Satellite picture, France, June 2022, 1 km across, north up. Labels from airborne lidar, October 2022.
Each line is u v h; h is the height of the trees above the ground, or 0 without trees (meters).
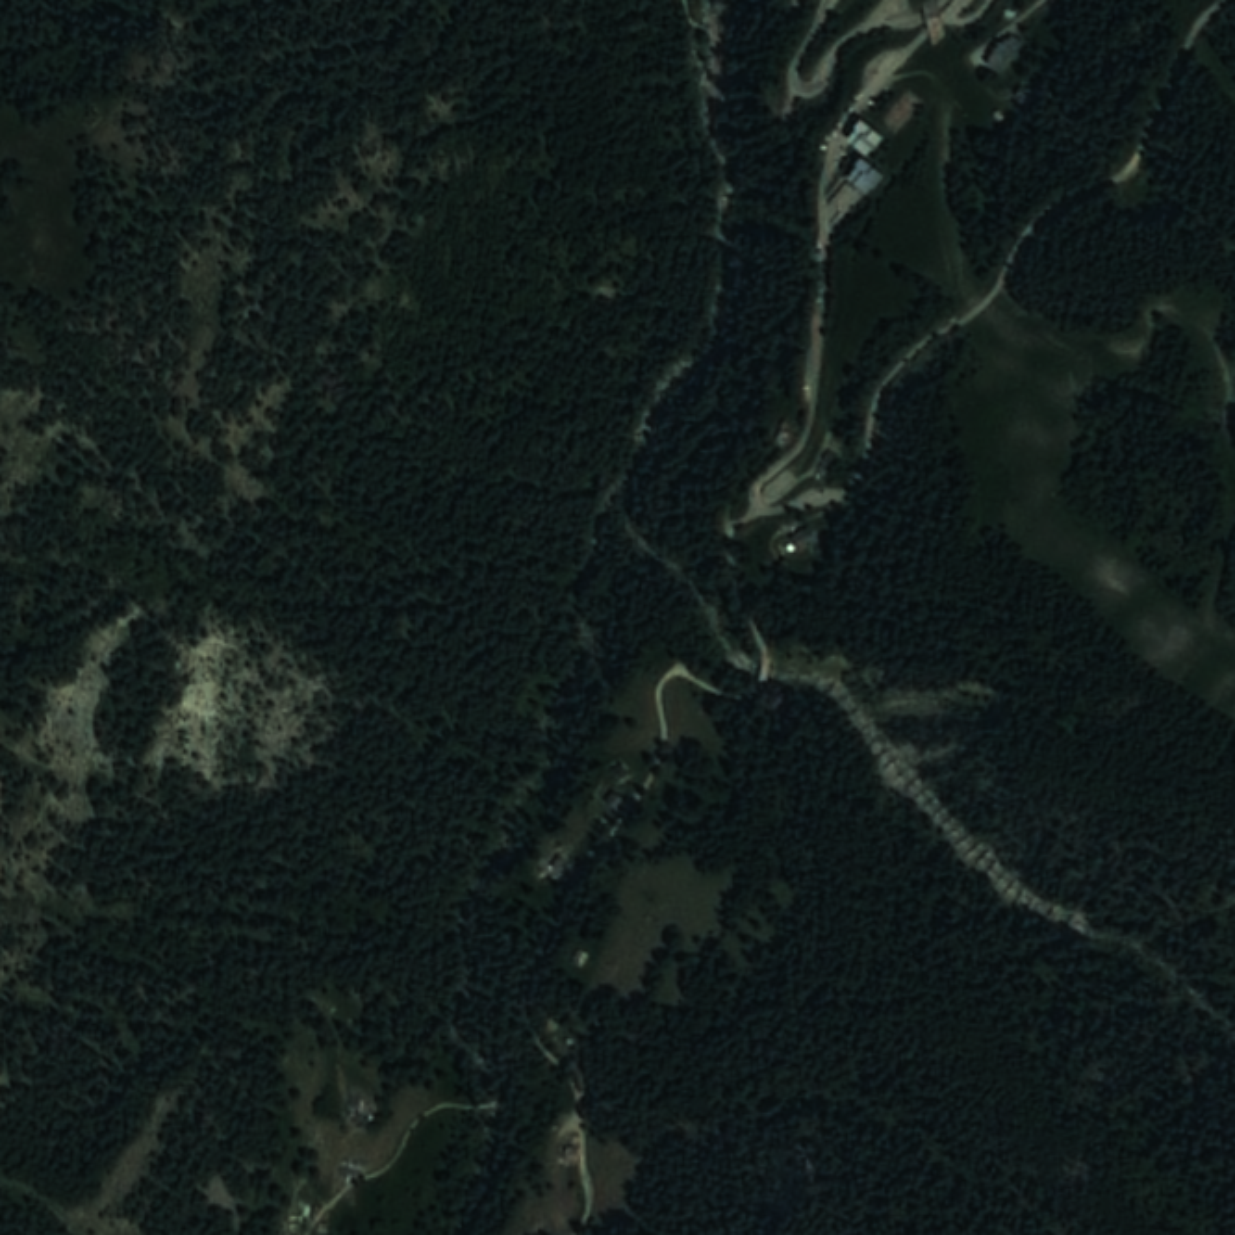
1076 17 24
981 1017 18
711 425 33
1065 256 19
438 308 9
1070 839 14
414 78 31
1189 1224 6
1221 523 20
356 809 25
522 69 30
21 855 7
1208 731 14
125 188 30
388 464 29
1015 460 0
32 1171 26
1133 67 26
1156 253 28
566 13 15
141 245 11
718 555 14
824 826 28
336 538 18
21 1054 14
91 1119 31
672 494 8
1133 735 16
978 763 8
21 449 0
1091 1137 12
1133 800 20
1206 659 0
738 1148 17
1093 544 0
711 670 28
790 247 23
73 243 0
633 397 32
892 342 10
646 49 17
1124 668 8
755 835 18
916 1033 17
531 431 28
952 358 7
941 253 0
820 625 21
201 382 16
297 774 19
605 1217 0
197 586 7
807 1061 23
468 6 30
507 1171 25
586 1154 0
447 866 34
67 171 0
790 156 25
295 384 13
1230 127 24
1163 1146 25
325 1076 0
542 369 25
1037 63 18
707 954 16
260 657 9
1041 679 17
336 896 34
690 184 25
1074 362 0
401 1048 18
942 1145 24
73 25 23
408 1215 0
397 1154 0
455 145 8
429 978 32
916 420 8
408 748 35
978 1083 14
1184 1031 18
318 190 27
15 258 0
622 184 26
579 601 27
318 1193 0
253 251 12
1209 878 21
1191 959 21
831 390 0
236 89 12
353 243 12
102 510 6
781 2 15
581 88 27
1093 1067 14
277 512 29
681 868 0
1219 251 26
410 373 11
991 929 31
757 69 17
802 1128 21
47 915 10
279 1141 29
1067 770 20
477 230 9
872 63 0
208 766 0
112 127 0
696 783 27
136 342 15
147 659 31
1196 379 7
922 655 14
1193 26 0
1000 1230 19
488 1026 18
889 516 19
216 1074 32
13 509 13
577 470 27
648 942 0
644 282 23
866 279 0
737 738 16
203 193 21
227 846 32
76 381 9
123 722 20
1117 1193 11
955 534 13
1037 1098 18
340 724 9
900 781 0
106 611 11
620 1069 22
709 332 15
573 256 12
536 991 26
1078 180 24
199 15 37
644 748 0
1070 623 18
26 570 6
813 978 23
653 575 26
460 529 25
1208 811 10
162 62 11
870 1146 25
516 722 32
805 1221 20
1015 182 21
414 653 34
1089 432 10
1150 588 0
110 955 10
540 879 0
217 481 17
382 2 23
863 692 6
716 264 18
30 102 22
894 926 22
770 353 23
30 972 11
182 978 32
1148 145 14
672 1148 23
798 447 0
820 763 26
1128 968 11
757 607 32
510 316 11
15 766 18
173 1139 20
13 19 32
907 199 0
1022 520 0
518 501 30
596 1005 22
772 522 0
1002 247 6
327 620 26
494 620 20
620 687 24
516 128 18
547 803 9
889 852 24
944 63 0
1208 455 25
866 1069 21
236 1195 23
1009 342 0
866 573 32
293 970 31
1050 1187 10
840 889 19
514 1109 24
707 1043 25
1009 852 9
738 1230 18
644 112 23
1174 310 0
